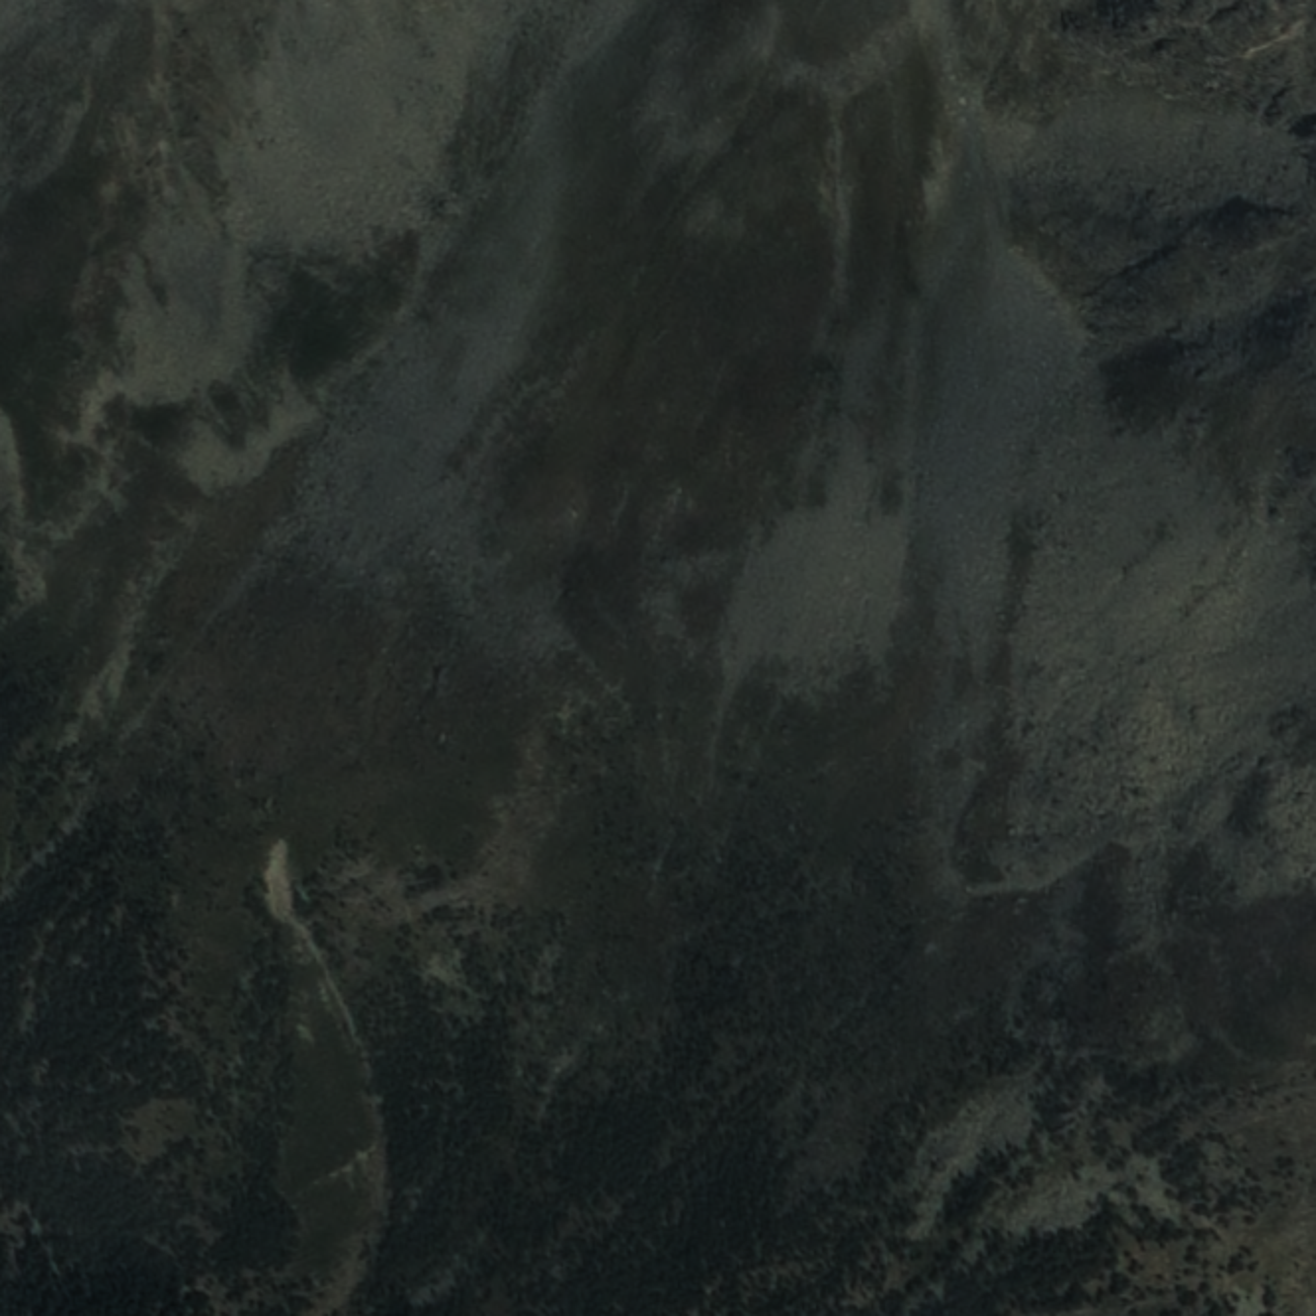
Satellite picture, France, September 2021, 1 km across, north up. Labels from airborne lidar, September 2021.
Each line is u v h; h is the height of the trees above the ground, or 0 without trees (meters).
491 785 0
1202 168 0
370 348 0
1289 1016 0
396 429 0
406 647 0
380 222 0
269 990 8
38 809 8
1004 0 0
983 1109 0
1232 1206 10
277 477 0
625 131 0
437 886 8
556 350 0
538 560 0
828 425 0
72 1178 19
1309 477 0
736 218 0
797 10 0
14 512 0
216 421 0
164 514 0
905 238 0
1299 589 0
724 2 0
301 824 0
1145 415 0
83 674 0
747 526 0
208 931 0
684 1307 7
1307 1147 0
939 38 0
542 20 0
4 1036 16
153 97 0
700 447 0
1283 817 0
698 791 0
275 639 0
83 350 0
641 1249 7
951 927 0
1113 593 0
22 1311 14
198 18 0
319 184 0
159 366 0
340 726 0
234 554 0
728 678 0
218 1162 0
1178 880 0
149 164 0
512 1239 6
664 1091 6
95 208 0
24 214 0
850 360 0
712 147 0
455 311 0
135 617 0
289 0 0
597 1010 0
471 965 10
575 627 0
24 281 0
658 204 0
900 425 0
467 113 0
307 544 0
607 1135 7
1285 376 0
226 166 0
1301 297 0
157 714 0
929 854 0
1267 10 0
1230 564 0
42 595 0
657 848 7
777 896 6
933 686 0
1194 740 0
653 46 0
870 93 0
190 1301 12
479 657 0
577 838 0
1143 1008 0
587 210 0
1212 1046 0
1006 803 0
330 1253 0
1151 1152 10
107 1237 11
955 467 0
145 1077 11
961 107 0
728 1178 7
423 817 0
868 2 0
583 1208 8
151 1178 15
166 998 7
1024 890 0
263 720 0
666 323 0
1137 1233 7
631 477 0
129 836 6
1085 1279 10
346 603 0
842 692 0
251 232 0
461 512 0
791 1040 5
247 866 0
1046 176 0
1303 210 0
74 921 10
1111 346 0
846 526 0
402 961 7
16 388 0
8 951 12
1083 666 0
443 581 0
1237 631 0
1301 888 0
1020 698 0
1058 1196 0
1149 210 0
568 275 0
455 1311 10
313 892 8
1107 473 0
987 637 0
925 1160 0
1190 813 0
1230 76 0
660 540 0
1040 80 0
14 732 9
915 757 0
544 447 0
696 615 0
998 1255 11
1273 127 0
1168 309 0
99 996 9
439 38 0
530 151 0
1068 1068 7
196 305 0
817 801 0
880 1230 6
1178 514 0
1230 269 0
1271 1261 0
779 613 0
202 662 0
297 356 0
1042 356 0
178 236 0
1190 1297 10
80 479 0
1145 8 0
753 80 0
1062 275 0
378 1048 7
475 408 0
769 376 0
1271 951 0
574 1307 9
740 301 0
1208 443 0
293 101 0
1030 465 0
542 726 0
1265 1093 6
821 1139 0
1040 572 0
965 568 0
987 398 0
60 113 0
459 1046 7
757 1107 8
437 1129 16
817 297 0
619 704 0
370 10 0
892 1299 8
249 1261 6
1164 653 0
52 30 0
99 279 0
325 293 0
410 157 0
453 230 0
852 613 0
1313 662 0
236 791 0
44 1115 14
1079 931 0
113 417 0
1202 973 0
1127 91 0
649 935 0
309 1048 0
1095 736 0
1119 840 0
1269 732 0
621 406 0
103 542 0
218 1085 6
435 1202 14
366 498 0
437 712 0
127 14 0
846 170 0
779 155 0
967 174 0
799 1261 9
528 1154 7
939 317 0
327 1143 0
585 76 0
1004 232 0
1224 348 0
